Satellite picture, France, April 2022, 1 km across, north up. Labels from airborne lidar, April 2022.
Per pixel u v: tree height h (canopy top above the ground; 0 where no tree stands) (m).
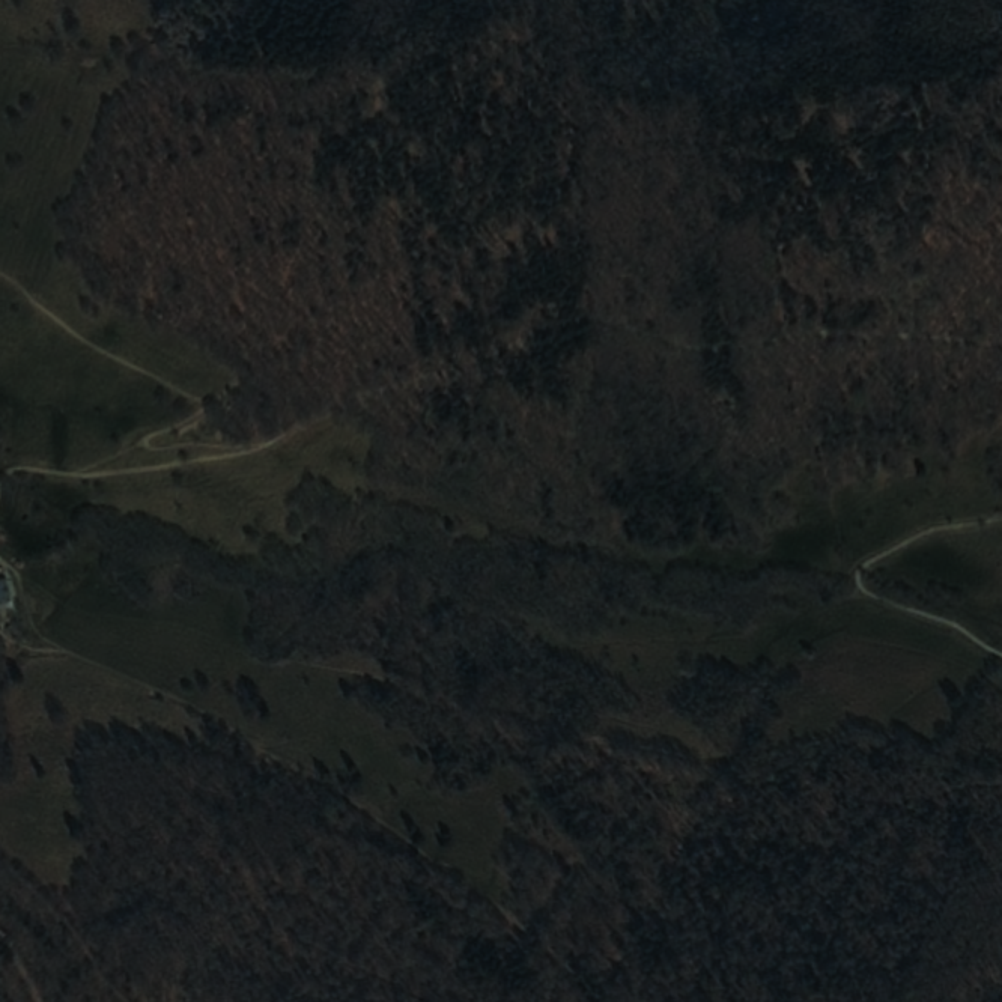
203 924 27
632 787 31
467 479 19
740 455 30
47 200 0
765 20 18
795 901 33
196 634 0
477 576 24
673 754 28
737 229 26
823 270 31
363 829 10
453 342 28
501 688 26
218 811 24
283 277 26
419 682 21
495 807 0
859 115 27
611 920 18
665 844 36
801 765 21
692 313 25
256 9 34
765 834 31
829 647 0
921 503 0
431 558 20
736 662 0
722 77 24
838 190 24
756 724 20
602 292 29
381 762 0
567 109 27
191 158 22
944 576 0
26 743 0
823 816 33
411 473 17
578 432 17
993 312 25
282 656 22
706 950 33
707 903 24
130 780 22
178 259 26
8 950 23
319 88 16
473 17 26
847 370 19
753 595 13
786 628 0
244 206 24
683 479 30
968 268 25
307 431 0
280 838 21
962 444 15
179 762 18
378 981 23
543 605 18
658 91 21
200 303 27
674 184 27
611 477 31
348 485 0
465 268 27
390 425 27
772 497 28
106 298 21
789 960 34
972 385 25
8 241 0
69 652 0
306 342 28
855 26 22
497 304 23
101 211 21
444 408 31
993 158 25
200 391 0
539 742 34
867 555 0
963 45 15
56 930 15
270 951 29
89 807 18
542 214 25
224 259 23
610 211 29
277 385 25
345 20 26
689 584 21
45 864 0
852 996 32
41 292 0
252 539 18
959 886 34
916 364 28
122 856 16
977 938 33
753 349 26
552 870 23
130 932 14
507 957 24
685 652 0
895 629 0
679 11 27
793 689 11
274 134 22
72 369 0
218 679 0
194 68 22
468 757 20
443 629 28
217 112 25
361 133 26
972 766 27
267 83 21
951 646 0
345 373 29
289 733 0
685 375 23
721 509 35
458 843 0
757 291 27
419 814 0
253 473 0
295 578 26
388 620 12
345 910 29
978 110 25
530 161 28
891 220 21
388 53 14
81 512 15
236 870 25
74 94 0
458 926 24
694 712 22
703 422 30
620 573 21
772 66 16
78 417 0
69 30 13
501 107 28
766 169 21
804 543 0
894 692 0
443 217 33
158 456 0
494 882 0
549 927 30
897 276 18
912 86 22
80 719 0
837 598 11
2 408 0
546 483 20
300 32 30
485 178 28
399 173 31
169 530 17
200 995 17
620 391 30
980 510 0
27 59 0
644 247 24
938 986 33
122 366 0
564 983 25
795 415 32
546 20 18
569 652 0
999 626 0
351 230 24
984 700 16
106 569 16
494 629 19
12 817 0
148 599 15
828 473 16
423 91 25
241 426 19
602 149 27
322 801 17
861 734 28
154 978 10
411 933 27
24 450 0
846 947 28
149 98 24
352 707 0
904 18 13
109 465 0
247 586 21
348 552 20
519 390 23
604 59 21
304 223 25
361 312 26
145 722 0
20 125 15
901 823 30
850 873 30
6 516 0
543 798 24
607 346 31
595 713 21
